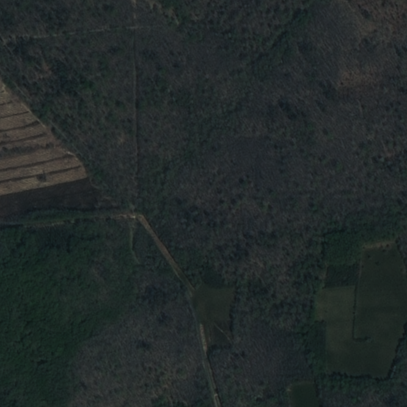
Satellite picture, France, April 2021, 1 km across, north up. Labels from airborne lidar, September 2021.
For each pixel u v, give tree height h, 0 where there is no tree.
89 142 15
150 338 14
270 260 15
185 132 17
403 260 7
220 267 12
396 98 9
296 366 14
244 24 15
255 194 11
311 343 9
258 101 17
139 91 19
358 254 21
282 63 20
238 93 27
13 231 26
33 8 18
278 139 17
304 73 21
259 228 15
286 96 19
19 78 18
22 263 22
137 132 8
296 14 14
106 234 25
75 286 27
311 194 13
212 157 17
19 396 22
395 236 20
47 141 0
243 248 17
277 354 11
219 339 0
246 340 21
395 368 16
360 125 17
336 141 18
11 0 20
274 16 8
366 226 19
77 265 26
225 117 21
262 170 15
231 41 23
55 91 21
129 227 25
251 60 15
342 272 7
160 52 22
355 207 18
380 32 13
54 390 29
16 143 0
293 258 21
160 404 14
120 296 24
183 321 20
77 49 18
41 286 20
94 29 17
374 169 16
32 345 25
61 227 20
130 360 15
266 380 13
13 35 18
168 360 16
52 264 30
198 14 28
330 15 16
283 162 17
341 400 17
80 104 13
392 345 0
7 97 0
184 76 20
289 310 17
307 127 23
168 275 20
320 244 22
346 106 22
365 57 15
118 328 16
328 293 0
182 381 17
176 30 21
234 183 10
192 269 18
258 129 15
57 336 27
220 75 18
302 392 0
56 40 15
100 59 23
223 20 21
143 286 21
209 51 16
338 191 15
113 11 24
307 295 18
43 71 11
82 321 24
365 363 0
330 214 16
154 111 22
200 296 0
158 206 20
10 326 25
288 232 18
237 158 16
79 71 17
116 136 19
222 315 0
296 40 24
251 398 18
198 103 16
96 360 15
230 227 20
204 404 23
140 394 13
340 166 19
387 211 21
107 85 19
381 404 14
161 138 15
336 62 17
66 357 28
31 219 24
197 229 13
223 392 20
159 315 14
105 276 30
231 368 15
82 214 20
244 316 20
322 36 16
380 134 12
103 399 13
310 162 19
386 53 17
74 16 18
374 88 6
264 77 22
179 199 15
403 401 19
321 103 21
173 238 14
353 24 17
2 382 21
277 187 16
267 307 28
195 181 14
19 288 25
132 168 17
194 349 17
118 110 22
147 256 21
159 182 23
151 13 17
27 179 0
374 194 18
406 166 17
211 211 10
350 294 0
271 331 11
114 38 22
